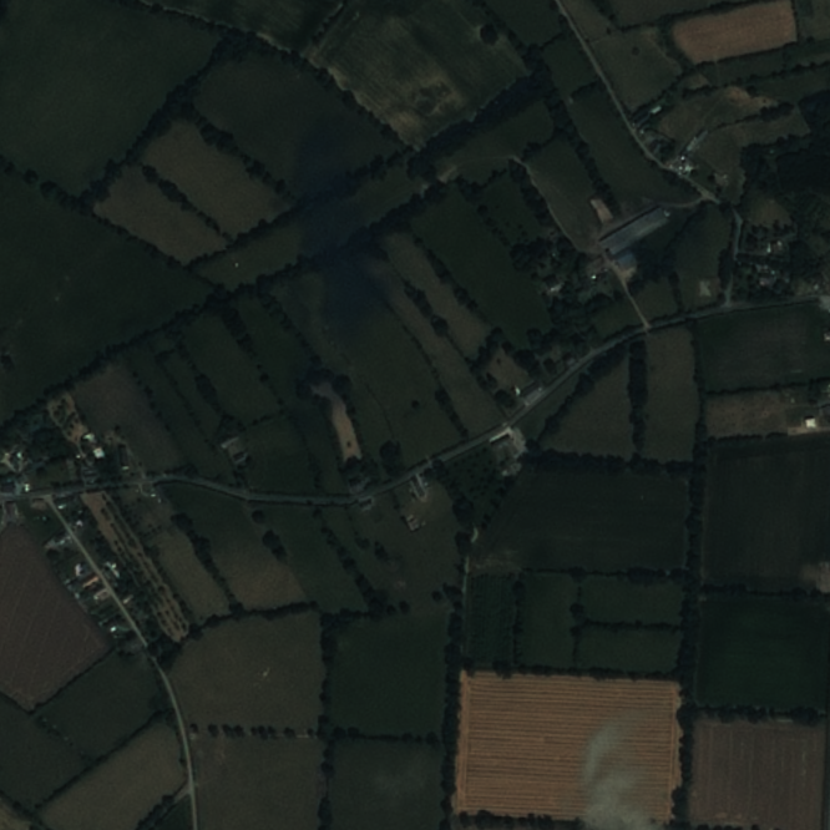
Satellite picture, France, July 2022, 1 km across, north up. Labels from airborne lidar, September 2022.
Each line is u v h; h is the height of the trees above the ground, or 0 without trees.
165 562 0
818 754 0
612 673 11
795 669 0
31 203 0
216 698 0
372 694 0
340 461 10
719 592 14
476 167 0
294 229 0
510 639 6
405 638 0
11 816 0
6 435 10
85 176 0
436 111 0
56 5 0
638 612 0
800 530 0
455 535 0
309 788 0
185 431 0
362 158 0
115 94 0
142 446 0
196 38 0
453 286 7
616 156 0
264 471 0
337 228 0
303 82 0
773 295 12
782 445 0
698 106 0
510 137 0
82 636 0
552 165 0
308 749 0
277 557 14
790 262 9
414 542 0
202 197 0
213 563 13
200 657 0
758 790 0
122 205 0
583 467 19
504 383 0
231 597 7
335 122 0
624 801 0
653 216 0
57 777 0
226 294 11
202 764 0
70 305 0
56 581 0
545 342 17
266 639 0
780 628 0
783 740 0
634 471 14
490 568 0
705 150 0
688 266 0
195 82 17
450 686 18
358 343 0
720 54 0
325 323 0
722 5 9
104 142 0
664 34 7
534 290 0
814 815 0
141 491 0
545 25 0
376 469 9
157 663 7
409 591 0
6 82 0
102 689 0
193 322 11
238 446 0
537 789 0
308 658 0
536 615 0
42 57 0
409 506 0
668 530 0
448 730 19
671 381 0
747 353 0
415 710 0
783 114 7
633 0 0
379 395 0
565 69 0
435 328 17
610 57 0
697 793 0
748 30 0
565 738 0
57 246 0
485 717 0
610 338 7
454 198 0
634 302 0
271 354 0
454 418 13
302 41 0
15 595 0
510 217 0
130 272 0
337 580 0
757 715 19
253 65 0
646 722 0
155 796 0
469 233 0
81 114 0
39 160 0
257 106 0
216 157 0
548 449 0
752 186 7
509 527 0
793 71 7
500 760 0
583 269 12
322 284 0
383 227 16
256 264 0
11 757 0
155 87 0
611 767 0
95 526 9
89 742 0
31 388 0
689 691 9
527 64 20
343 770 0
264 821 0
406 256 0
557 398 0
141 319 0
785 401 0
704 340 0
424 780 0
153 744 0
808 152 8
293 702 0
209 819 0
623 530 0
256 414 0
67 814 0
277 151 0
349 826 0
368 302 0
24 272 0
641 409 20
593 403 0
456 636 17
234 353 0
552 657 0
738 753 0
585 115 0
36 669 0
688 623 22
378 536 0
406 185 0
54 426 8
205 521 0
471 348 0
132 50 0
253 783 0
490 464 7
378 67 0
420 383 0
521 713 0
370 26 0
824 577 0
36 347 0
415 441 0
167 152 0
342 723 0
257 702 0
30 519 0
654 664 0
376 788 0
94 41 0
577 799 0
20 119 0
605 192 12
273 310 18
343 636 0
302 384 19
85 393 0
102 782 0
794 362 0
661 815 0
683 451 0
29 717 6
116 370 0
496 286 0
